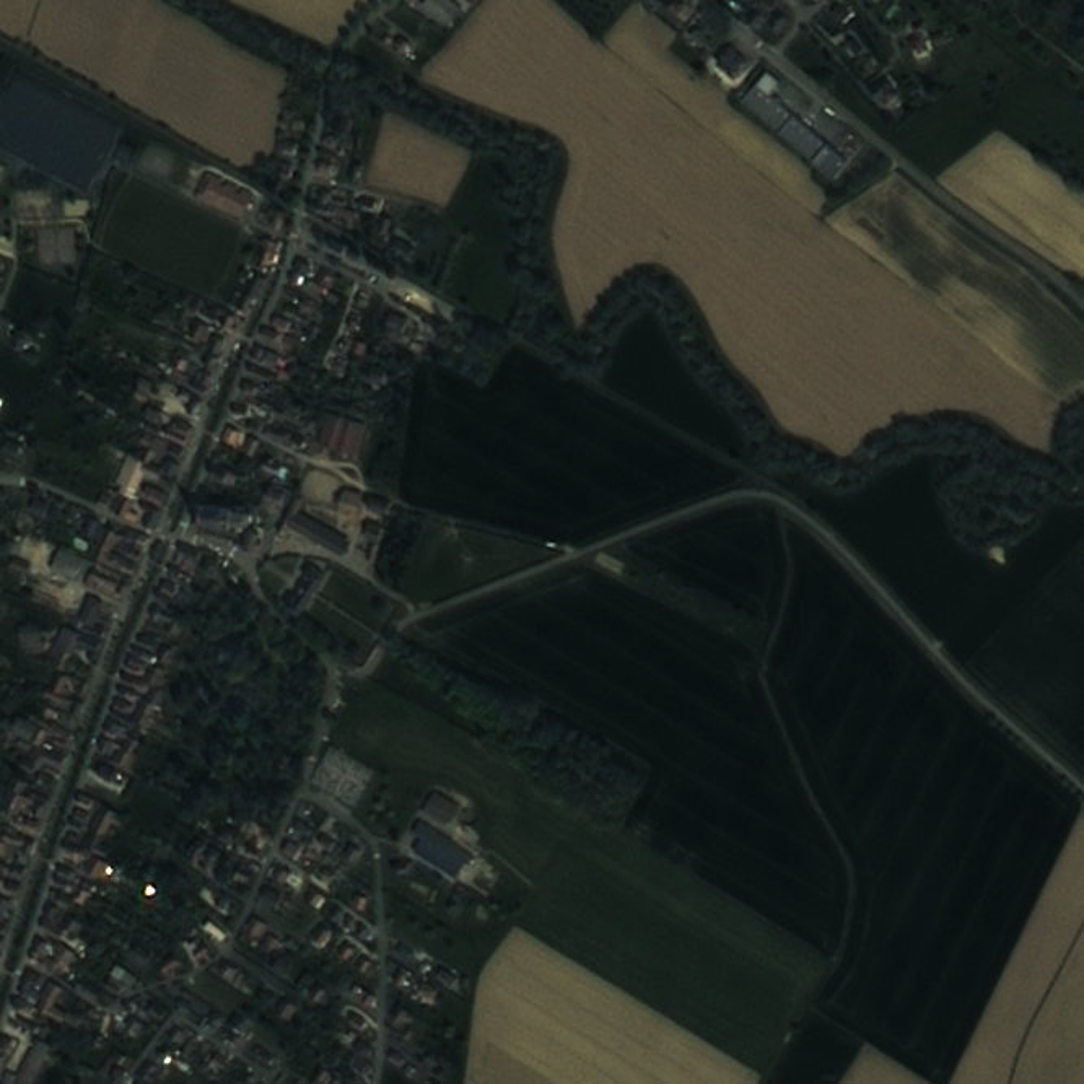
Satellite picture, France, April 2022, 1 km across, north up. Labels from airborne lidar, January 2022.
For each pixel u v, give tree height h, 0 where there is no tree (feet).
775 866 0
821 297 0
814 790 0
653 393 0
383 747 0
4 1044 0
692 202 0
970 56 0
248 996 0
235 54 0
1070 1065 0
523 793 0
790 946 0
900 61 0
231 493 21
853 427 0
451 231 0
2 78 0
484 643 0
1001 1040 0
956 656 0
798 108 0
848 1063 0
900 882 0
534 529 0
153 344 0
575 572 0
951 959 0
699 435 0
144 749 31
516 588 0
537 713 69
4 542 56
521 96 0
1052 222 0
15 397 0
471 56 0
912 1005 0
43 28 0
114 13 0
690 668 0
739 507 0
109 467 0
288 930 0
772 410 0
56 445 0
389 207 0
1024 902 0
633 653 0
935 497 0
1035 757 0
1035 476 59
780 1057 0
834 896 0
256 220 0
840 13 0
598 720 0
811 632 0
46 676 0
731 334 0
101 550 0
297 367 24
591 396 0
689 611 0
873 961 0
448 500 0
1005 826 0
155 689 0
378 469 37
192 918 54
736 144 0
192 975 0
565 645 0
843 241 0
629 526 0
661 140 0
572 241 0
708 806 0
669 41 0
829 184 0
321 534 0
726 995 0
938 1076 0
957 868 0
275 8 0
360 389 21
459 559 0
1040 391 0
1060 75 0
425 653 50
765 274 0
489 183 0
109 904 23
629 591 0
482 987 0
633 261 0
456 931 0
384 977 0
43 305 0
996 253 0
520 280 51
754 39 0
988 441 59
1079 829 0
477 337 47
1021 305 0
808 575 0
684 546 0
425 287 0
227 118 0
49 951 0
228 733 31
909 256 0
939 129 0
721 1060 0
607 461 0
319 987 0
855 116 0
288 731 62
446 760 0
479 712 75
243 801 80
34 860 0
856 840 0
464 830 0
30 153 0
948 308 0
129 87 0
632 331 0
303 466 0
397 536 25
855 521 0
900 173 0
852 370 0
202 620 49
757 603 0
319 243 42
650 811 0
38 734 0
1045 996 0
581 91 0
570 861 0
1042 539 0
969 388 0
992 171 0
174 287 0
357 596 0
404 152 0
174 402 0
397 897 0
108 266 0
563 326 66
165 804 0
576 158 0
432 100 28
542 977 0
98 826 0
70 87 0
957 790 0
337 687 0
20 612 0
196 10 42
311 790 0
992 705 0
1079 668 0
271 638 44
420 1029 0
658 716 0
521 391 0
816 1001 0
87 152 0
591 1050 0
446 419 0
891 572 0
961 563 0
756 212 0
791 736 0
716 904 0
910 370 0
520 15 0
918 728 0
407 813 0
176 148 0
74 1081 22
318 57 66
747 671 0
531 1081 0
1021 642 0
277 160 22
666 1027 0
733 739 0
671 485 0
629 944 0
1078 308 0
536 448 0
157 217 0
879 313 0
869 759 0
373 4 47
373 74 79
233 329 0
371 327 0
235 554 0
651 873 0
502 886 0
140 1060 0
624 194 0
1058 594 0
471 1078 0
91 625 0
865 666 0
